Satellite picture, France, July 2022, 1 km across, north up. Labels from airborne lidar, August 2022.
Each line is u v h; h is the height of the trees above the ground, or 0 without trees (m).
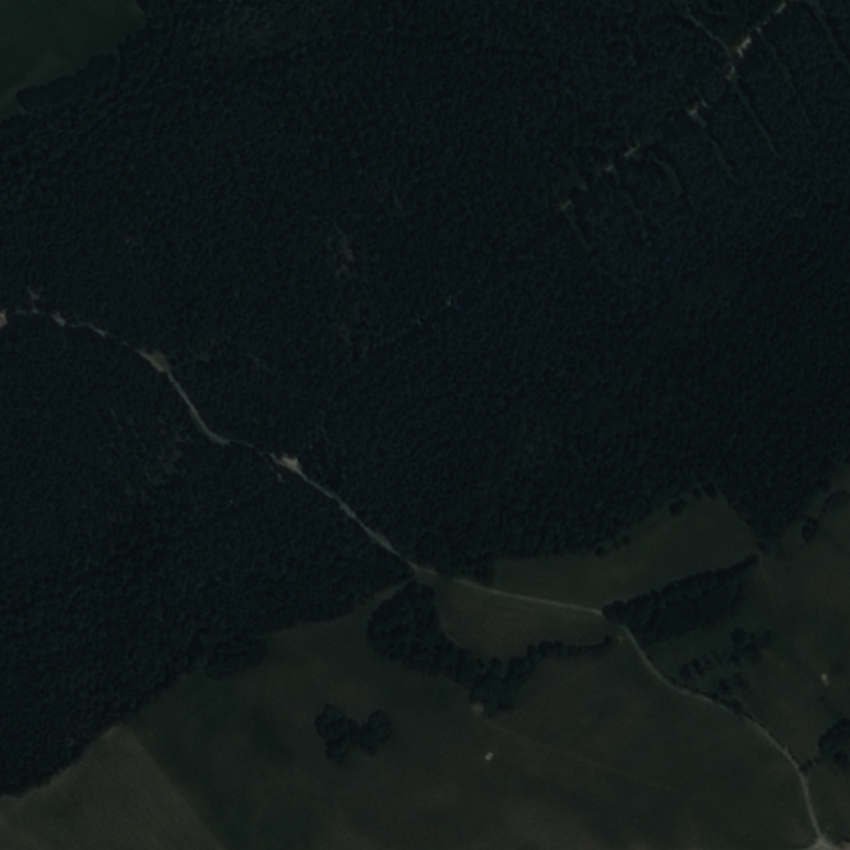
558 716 0
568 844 0
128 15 0
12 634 30
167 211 24
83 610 26
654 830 0
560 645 12
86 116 26
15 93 0
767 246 20
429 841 0
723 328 21
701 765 0
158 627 18
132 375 26
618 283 27
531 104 25
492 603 0
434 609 15
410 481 30
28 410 24
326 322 25
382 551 20
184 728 0
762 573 0
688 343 17
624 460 21
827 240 21
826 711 0
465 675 18
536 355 34
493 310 34
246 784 0
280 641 0
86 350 24
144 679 23
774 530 26
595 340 29
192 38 23
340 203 27
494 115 21
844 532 0
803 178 31
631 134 37
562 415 28
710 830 0
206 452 29
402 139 25
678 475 22
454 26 24
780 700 0
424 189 21
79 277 31
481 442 31
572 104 29
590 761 0
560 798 0
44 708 21
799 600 0
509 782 0
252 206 30
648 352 23
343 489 34
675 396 23
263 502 32
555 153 17
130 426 24
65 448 28
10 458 31
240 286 29
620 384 19
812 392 19
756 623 0
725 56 31
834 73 39
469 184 24
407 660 19
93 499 27
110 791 0
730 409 20
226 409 28
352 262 23
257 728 0
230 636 21
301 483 28
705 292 11
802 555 0
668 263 36
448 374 26
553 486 15
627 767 0
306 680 0
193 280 28
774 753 0
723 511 0
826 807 0
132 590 24
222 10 19
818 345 23
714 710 0
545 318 32
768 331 18
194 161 27
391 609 22
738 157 37
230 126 31
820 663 0
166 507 22
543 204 26
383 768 0
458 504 21
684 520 0
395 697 0
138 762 0
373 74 28
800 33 32
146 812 0
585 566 0
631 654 0
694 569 0
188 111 25
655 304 22
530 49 22
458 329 33
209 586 22
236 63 26
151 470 26
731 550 0
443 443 31
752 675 0
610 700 0
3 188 22
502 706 13
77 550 30
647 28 29
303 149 27
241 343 32
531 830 0
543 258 31
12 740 18
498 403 29
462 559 14
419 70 27
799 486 22
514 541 22
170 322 24
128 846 0
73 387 27
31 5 0
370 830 0
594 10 27
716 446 20
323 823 0
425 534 22
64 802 0
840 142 33
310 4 19
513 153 27
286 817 0
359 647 0
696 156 35
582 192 0
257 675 0
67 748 17
